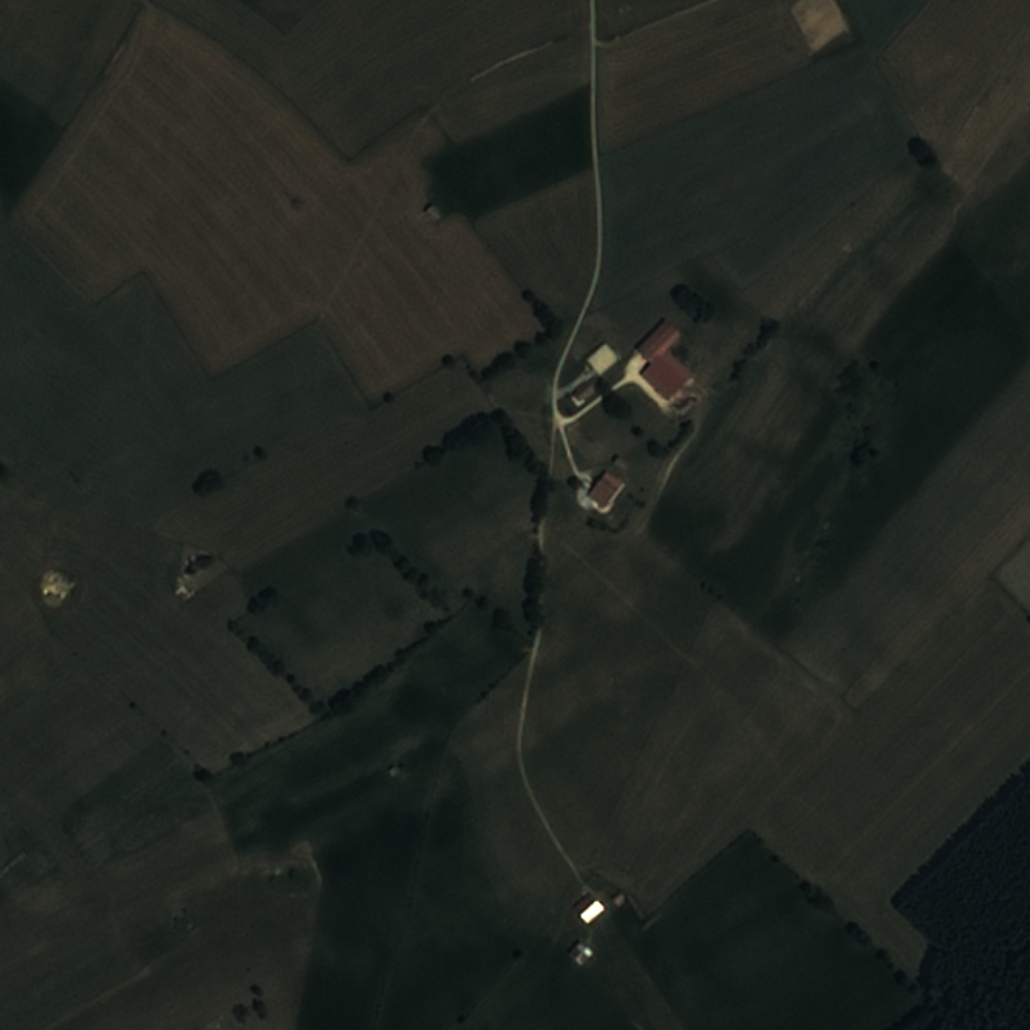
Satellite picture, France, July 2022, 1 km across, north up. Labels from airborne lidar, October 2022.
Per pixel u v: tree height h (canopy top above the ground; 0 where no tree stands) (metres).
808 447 0
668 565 0
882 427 0
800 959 0
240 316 0
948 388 0
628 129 0
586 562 0
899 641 0
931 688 0
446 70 0
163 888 0
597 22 0
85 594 0
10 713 0
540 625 15
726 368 0
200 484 7
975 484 0
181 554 0
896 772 0
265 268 0
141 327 0
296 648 0
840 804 0
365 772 0
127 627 0
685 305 15
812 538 0
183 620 0
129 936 0
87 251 0
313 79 0
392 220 0
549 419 0
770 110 0
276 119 0
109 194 0
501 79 0
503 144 0
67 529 0
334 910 0
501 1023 0
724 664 0
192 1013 0
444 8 0
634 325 0
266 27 0
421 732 0
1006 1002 25
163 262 0
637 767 0
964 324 0
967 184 0
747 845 0
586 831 0
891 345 0
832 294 0
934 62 0
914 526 0
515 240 0
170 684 0
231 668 0
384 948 0
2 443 0
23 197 0
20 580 0
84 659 0
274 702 0
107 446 0
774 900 0
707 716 0
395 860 0
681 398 0
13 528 0
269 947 0
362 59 0
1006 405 0
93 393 0
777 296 0
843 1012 0
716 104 0
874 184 0
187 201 0
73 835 0
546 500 15
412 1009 0
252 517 0
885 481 0
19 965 0
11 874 0
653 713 0
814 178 0
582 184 0
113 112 0
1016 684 0
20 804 0
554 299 0
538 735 0
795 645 0
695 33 0
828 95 0
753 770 0
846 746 0
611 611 0
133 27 0
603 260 0
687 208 0
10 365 0
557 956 0
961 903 24
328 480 0
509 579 0
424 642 6
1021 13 0
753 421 0
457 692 0
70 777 0
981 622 0
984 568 0
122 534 0
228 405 0
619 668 0
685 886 0
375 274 0
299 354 0
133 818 0
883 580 0
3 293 0
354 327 0
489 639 0
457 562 0
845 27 0
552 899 0
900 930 0
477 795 0
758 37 0
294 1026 0
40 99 0
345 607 0
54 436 0
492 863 0
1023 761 0
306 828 0
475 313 0
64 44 0
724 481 0
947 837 0
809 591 0
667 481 0
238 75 0
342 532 0
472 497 0
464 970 0
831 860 0
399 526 0
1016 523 0
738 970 0
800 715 0
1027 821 23
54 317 0
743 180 0
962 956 26
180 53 0
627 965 0
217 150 0
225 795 0
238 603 0
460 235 0
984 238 0
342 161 0
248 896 0
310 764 0
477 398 0
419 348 0
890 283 0
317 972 0
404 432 0
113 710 0
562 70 0
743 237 0
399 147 0
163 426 0
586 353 0
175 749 0
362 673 0
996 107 0
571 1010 0
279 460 0
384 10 0
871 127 0
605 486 0
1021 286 0
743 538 0
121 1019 0
